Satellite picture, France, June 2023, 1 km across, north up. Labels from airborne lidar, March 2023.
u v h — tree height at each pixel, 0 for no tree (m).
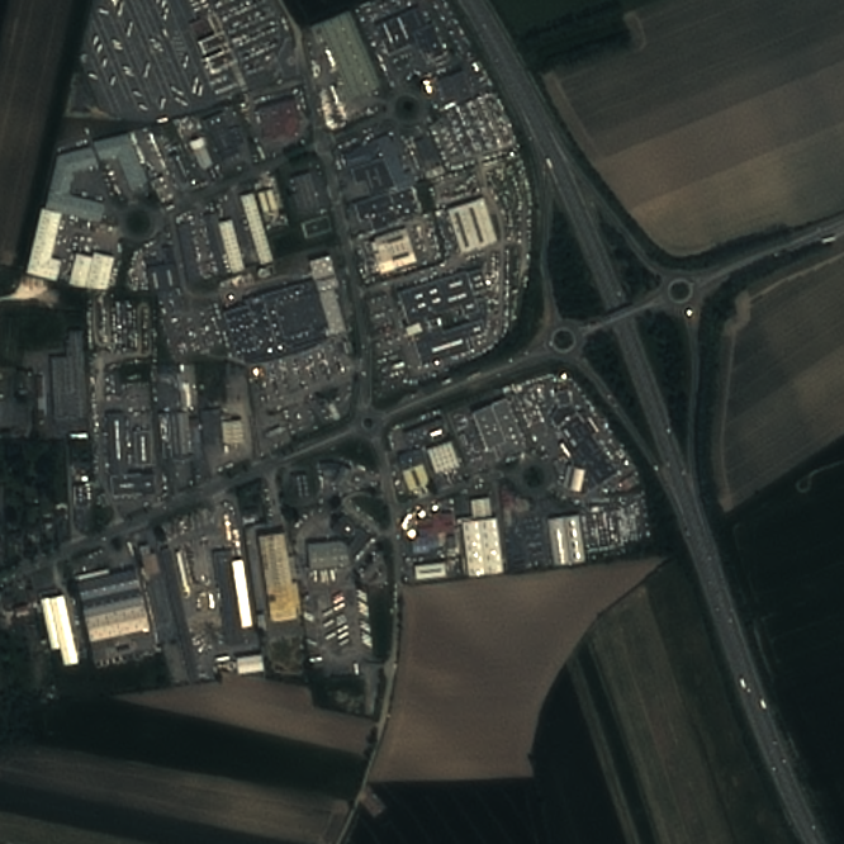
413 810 0
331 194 0
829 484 0
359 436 0
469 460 0
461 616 0
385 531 0
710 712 0
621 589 0
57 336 0
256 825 0
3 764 0
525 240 0
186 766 0
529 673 0
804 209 0
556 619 0
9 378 0
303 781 0
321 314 0
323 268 0
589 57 12
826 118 0
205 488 0
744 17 0
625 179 0
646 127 0
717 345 13
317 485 0
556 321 0
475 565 0
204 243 0
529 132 0
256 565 0
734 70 0
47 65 0
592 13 13
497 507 0
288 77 0
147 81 0
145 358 0
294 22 0
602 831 0
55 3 0
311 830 0
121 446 0
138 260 0
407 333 0
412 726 0
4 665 11
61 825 0
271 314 0
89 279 0
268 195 0
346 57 0
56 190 0
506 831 0
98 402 0
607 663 0
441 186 0
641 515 0
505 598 0
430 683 0
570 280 12
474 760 0
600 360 10
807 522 0
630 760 0
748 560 0
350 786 0
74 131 0
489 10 0
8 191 0
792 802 0
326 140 0
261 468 0
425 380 15
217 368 0
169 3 0
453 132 0
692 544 0
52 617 0
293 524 0
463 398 0
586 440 0
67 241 0
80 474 0
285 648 0
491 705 0
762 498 0
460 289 0
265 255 0
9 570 9
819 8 0
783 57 0
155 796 0
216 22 0
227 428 0
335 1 0
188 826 0
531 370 0
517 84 0
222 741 0
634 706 0
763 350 0
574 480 0
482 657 0
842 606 0
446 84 0
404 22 0
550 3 0
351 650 0
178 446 0
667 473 0
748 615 10
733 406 0
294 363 0
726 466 0
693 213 0
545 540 0
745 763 0
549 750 0
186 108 0
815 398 0
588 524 0
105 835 0
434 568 0
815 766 0
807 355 0
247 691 0
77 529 0
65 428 0
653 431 0
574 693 0
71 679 0
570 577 0
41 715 0
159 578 0
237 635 0
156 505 0
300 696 0
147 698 0
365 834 0
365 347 0
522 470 0
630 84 0
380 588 0
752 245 16
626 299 0
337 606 0
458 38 0
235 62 0
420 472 0
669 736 0
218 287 0
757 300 0
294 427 0
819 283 0
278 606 0
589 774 0
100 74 0
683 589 0
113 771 0
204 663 0
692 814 0
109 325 0
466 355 0
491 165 0
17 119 0
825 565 0
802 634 0
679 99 0
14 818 0
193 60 0
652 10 0
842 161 0
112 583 0
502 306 0
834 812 0
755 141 0
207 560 0
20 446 14
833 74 0
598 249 0
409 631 0
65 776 0
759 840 0
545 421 0
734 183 0
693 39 0
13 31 0
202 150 0
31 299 0
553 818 0
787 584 0
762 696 0
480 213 0
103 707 0
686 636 0
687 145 0
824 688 0
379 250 0
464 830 0
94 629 0
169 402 0
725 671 7
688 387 0
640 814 0
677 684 0
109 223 0
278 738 0
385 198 0
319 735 0
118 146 0
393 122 0
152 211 0
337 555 0
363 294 0
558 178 0
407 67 0
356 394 0
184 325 0
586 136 0
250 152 0
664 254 6
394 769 0
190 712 0
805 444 0
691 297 0
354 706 0
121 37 0
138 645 0
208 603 0
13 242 0
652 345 0
